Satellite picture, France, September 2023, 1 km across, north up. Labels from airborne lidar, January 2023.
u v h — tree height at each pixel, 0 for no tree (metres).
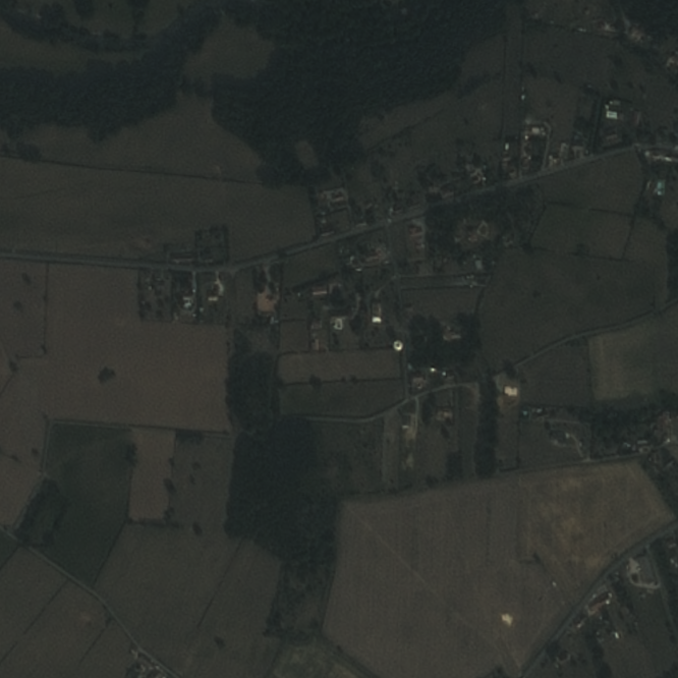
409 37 18
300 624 0
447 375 0
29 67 0
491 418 7
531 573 0
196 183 0
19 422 0
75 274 0
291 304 0
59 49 0
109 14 0
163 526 11
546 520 0
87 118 15
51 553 0
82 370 0
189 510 0
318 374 0
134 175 0
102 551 0
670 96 0
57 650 0
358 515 0
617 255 0
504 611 0
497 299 0
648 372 0
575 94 0
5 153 9
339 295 12
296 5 25
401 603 0
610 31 0
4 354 0
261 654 0
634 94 0
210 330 0
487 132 0
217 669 0
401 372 0
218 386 0
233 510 16
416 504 0
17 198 0
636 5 23
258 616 0
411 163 0
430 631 0
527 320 0
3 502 0
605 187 0
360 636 0
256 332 0
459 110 0
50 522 0
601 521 0
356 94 18
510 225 13
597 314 0
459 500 0
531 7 0
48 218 0
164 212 0
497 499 0
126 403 0
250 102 22
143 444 0
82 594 0
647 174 12
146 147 0
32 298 0
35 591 0
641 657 0
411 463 0
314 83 7
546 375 0
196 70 0
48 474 0
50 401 0
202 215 0
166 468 0
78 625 0
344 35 22
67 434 0
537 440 0
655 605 0
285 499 10
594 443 7
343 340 0
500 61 0
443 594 0
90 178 0
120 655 0
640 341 0
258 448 16
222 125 7
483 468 14
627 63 0
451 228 16
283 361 0
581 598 0
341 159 17
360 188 0
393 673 0
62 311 0
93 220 0
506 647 0
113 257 0
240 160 0
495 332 0
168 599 0
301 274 0
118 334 0
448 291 0
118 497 0
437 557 0
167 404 0
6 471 0
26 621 0
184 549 0
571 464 0
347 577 0
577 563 0
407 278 0
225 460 0
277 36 21
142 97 24
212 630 0
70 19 0
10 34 0
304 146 0
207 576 0
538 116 0
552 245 0
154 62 20
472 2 24
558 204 0
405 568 0
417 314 0
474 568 0
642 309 0
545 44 0
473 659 0
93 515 0
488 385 11
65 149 0
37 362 0
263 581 0
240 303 0
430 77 21
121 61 0
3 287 0
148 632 0
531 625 0
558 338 0
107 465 0
